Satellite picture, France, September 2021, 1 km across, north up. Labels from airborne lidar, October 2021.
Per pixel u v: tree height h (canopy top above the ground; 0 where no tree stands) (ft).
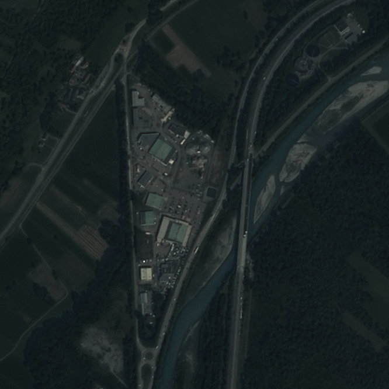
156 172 0
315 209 49
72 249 0
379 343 0
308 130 0
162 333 0
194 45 0
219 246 0
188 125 22
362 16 0
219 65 51
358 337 37
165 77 93
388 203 23
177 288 0
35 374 88
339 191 85
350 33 0
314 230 58
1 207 0
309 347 54
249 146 0
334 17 52
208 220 0
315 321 67
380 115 0
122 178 53
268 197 0
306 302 41
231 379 0
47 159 0
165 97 78
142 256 0
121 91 58
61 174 0
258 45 43
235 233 0
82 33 78
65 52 32
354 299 64
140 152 0
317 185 68
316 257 60
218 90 0
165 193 0
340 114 0
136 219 0
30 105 66
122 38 0
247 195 0
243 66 29
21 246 0
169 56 0
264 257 60
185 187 0
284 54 0
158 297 59
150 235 27
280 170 0
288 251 65
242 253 0
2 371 0
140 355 0
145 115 0
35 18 30
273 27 50
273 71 0
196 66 0
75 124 0
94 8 68
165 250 0
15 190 0
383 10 55
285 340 55
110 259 79
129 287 44
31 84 19
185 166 0
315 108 0
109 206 0
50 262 0
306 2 42
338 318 63
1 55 0
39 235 0
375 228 93
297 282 53
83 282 0
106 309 26
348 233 72
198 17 0
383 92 0
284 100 25
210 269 0
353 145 87
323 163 70
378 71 0
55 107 85
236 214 0
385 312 0
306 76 0
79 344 0
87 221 0
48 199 0
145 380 0
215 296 25
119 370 0
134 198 65
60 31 44
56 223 0
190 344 0
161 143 0
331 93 0
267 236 47
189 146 0
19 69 68
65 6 41
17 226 0
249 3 0
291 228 61
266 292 52
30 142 0
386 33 43
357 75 0
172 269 0
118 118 52
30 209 0
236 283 0
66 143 0
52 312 0
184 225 0
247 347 0
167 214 0
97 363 0
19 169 44
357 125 39
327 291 80
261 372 22
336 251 28
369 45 38
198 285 0
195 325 0
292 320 77
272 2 57
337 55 0
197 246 0
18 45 49
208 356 46
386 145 0
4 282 0
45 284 0
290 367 79
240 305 0
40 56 76
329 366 63
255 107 0
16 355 0
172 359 0
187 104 35
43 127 71
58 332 88
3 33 33
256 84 29
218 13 0
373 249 88
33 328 0
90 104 0
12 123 41
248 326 0
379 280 0
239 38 0
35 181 0
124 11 0
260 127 47
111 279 50
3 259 0
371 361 52
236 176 33
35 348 91
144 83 28
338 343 19
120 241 91
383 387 64
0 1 0
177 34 0
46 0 19
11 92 82
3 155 97
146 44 55
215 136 30
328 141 0
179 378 18
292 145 0
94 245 0
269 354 20
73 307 0
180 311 0
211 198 0
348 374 31
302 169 0
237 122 0
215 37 0
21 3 0
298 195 57
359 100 0
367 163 100
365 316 61
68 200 0
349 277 74
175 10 0
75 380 20
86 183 0
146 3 0
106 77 0
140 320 71
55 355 35
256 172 40
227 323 33
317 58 0
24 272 0
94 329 0
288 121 0
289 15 94
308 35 57
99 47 0
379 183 81
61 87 0
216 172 0
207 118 92
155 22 53
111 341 0
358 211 59
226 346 47
